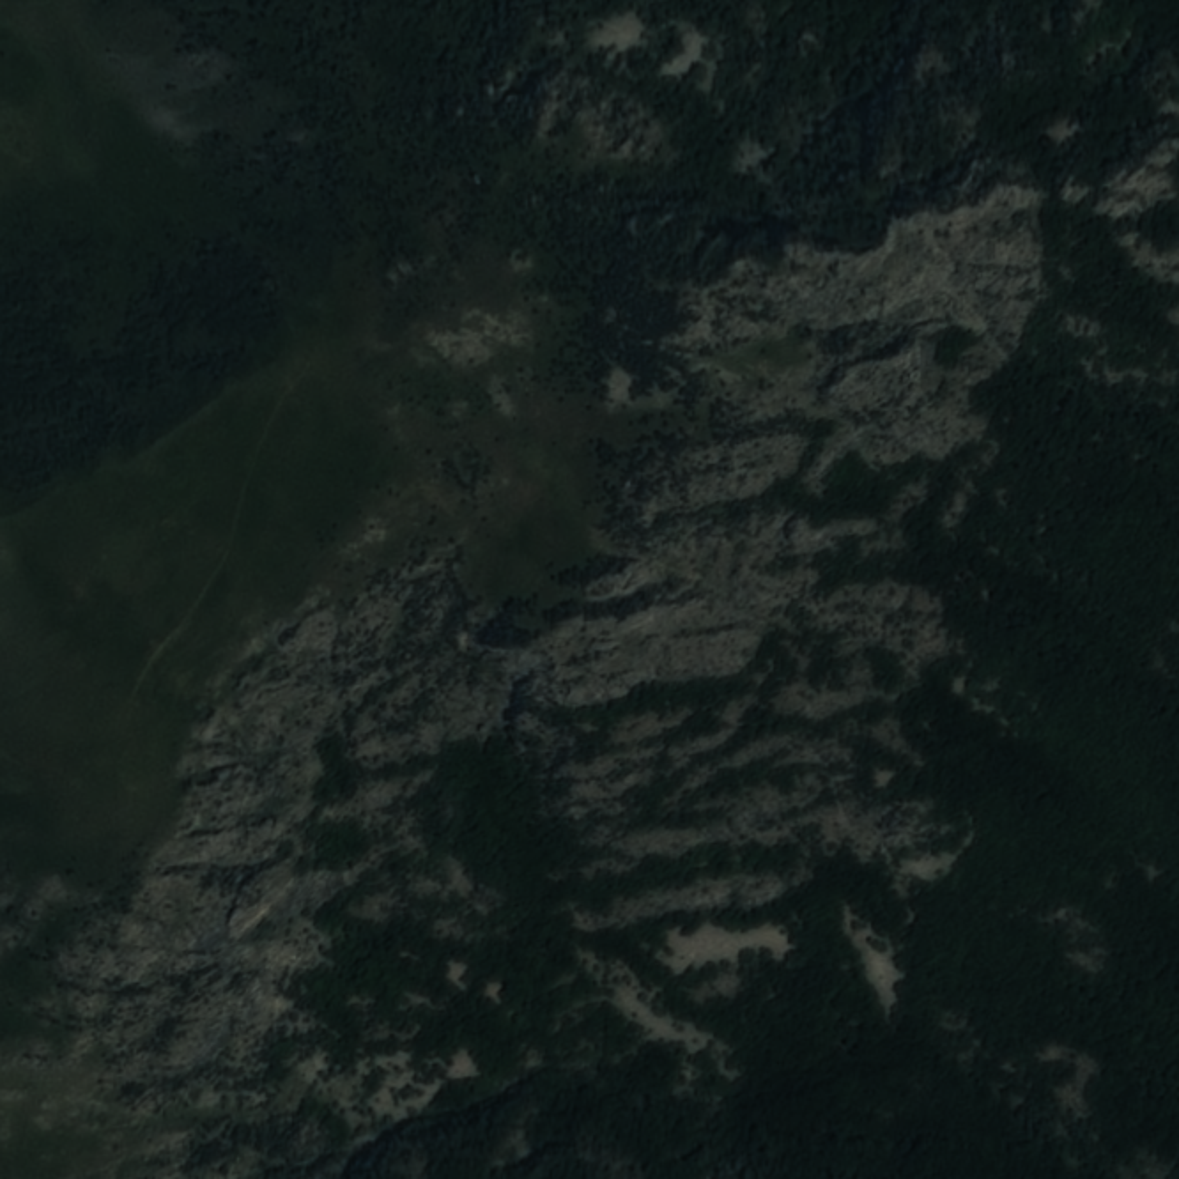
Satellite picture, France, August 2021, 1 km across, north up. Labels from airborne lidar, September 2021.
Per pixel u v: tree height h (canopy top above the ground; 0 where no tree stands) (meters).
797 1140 22
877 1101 12
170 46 0
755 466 8
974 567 22
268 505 0
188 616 0
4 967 0
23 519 0
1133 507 18
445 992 14
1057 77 13
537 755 11
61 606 0
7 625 0
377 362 0
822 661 7
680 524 20
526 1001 15
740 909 15
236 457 0
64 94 0
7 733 0
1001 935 16
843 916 10
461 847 15
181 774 0
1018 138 15
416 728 7
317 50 7
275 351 0
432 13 9
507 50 7
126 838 0
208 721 0
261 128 0
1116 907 16
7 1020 0
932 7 16
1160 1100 23
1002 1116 14
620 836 7
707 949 0
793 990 21
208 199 0
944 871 7
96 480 0
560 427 0
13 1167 0
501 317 0
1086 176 9
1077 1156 7
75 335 0
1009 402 16
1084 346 8
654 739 8
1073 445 19
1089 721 13
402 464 0
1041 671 13
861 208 8
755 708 6
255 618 0
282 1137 8
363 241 0
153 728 0
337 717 6
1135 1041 23
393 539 0
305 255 0
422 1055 10
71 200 0
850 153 8
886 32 9
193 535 0
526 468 0
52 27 0
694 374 7
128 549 0
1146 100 12
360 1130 9
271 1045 7
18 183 0
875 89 8
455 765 17
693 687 14
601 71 8
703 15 5
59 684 0
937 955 14
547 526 0
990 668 9
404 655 7
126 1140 0
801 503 12
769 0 13
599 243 8
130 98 0
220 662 0
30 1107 0
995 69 7
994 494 12
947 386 9
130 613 0
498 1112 9
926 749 13
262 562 0
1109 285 13
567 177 9
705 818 7
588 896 12
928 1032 12
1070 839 19
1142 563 12
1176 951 16
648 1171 14
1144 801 15
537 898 10
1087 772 12
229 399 0
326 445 0
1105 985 13
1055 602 17
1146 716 15
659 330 7
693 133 6
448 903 7
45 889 0
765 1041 15
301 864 9
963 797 14
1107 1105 10
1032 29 13
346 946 12
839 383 7
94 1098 0
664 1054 14
